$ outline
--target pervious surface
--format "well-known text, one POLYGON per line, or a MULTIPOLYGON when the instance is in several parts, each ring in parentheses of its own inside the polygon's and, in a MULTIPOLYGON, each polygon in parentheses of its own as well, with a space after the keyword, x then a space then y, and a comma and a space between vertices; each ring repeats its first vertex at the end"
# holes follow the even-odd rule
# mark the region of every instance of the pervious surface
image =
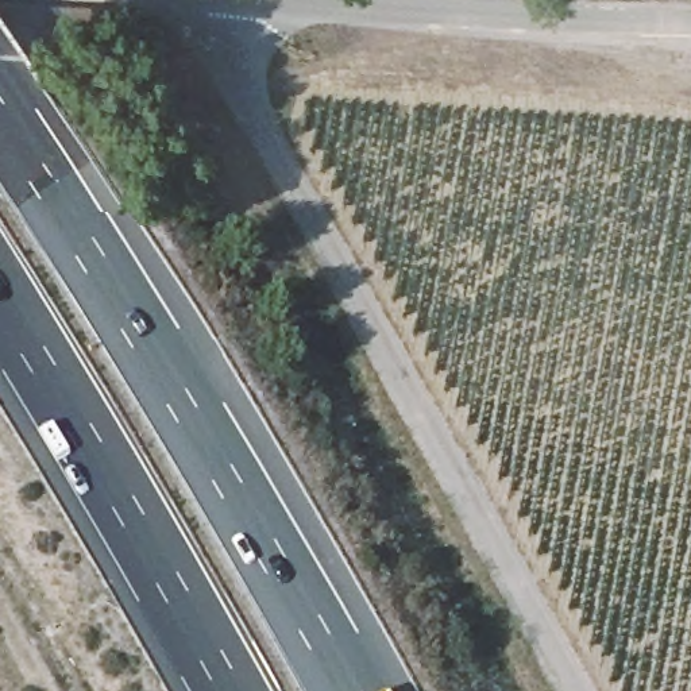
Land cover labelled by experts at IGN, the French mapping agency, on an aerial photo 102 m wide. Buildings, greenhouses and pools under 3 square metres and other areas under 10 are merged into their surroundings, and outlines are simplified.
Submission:
POLYGON ((202 78, 216 105, 229 105, 238 124, 246 130, 246 135, 254 138, 262 162, 267 165, 275 186, 283 194, 286 202, 294 202, 294 221, 310 240, 324 267, 346 265, 354 270, 370 270, 370 275, 383 270, 383 262, 375 259, 378 246, 372 240, 364 240, 362 224, 354 224, 354 208, 346 202, 346 192, 332 186, 335 170, 321 167, 324 151, 313 148, 316 135, 294 135, 294 124, 289 119, 292 100, 305 86, 294 76, 289 76, 286 54, 278 49, 278 35, 267 32, 262 24, 254 22, 216 22, 200 16, 186 24, 184 43, 192 54, 192 73, 202 78))
POLYGON ((405 354, 399 337, 394 335, 391 324, 372 335, 367 346, 370 362, 378 370, 391 402, 397 405, 397 413, 413 432, 413 440, 429 462, 437 483, 451 497, 464 524, 464 532, 472 540, 472 548, 486 561, 491 561, 491 578, 502 594, 513 615, 518 615, 526 626, 537 629, 534 653, 553 691, 597 691, 580 659, 575 656, 567 634, 559 629, 548 602, 537 588, 543 572, 529 572, 521 561, 497 510, 486 497, 483 483, 472 475, 462 448, 453 443, 445 418, 435 408, 424 383, 418 381, 416 367, 405 354))

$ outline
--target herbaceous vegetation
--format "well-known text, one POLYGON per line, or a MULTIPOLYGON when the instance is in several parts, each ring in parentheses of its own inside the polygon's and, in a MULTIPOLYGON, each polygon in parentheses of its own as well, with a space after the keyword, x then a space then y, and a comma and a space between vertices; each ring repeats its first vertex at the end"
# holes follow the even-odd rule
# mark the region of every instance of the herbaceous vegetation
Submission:
POLYGON ((0 408, 0 691, 167 691, 130 618, 111 597, 111 588, 103 572, 97 570, 89 548, 84 545, 81 534, 76 532, 51 486, 46 483, 27 445, 16 435, 5 410, 0 408))

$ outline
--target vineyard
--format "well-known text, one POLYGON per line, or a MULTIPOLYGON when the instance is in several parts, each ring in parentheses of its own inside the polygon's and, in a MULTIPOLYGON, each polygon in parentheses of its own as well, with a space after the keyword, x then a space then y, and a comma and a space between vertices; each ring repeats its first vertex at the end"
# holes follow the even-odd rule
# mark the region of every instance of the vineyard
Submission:
POLYGON ((324 151, 321 167, 335 170, 332 186, 346 192, 346 202, 354 208, 354 224, 362 224, 364 240, 372 240, 378 246, 375 259, 383 262, 383 270, 386 278, 397 281, 394 297, 405 297, 405 313, 416 316, 416 332, 424 332, 429 337, 426 351, 437 354, 435 370, 445 375, 445 389, 459 389, 456 405, 470 410, 467 421, 480 429, 478 443, 491 445, 491 453, 502 456, 499 478, 510 480, 510 491, 524 494, 518 513, 529 518, 529 532, 540 534, 537 551, 551 556, 551 570, 561 572, 559 586, 572 591, 570 607, 583 613, 580 624, 591 626, 591 642, 599 645, 605 656, 613 656, 610 678, 624 683, 624 691, 691 691, 691 119, 648 119, 626 113, 548 113, 516 108, 483 111, 467 105, 397 105, 316 97, 305 86, 292 100, 289 119, 294 124, 294 135, 316 135, 313 148, 324 151))

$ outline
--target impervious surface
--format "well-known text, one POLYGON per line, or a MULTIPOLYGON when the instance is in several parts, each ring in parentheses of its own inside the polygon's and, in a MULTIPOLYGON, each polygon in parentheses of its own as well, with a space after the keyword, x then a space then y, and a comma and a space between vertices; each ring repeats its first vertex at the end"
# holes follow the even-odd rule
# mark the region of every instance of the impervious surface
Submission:
POLYGON ((138 121, 143 116, 130 108, 127 100, 116 100, 116 113, 111 124, 138 130, 138 121))
POLYGON ((238 343, 227 340, 221 313, 202 289, 202 275, 192 270, 192 265, 186 265, 181 248, 165 229, 165 224, 173 221, 175 213, 184 208, 205 213, 213 221, 224 221, 229 213, 243 213, 267 197, 283 194, 275 186, 267 165, 262 162, 254 138, 246 135, 246 130, 238 124, 229 105, 216 105, 202 78, 192 73, 192 54, 184 43, 186 24, 200 16, 216 22, 254 22, 262 24, 267 32, 278 35, 292 38, 294 32, 310 24, 346 24, 370 30, 529 40, 561 51, 575 49, 588 54, 597 54, 602 46, 621 46, 624 51, 640 46, 691 51, 691 0, 572 0, 575 13, 570 19, 561 19, 556 27, 545 30, 537 27, 537 22, 532 22, 521 0, 0 0, 0 408, 5 410, 16 435, 27 445, 46 483, 51 486, 76 532, 81 534, 84 545, 89 548, 97 570, 103 572, 111 588, 111 597, 130 618, 167 691, 437 691, 435 680, 429 678, 429 669, 421 667, 416 656, 405 624, 394 613, 389 597, 389 570, 370 572, 359 556, 359 532, 367 516, 359 516, 356 510, 346 513, 346 507, 335 497, 324 491, 324 478, 335 464, 335 453, 305 445, 308 429, 289 429, 283 424, 278 399, 267 394, 262 383, 254 378, 248 359, 238 348, 238 343), (76 38, 78 46, 89 46, 100 57, 119 62, 121 81, 127 78, 135 54, 151 59, 151 70, 146 78, 140 78, 135 92, 146 97, 159 121, 159 135, 154 143, 159 178, 146 178, 146 211, 154 213, 157 224, 138 224, 127 211, 119 211, 119 194, 105 175, 105 157, 97 157, 97 151, 84 140, 84 135, 67 119, 67 113, 59 111, 49 94, 43 97, 32 86, 38 81, 38 70, 24 51, 32 43, 43 43, 59 65, 57 78, 70 81, 76 89, 89 94, 92 103, 105 97, 103 89, 86 73, 81 73, 73 65, 73 59, 62 51, 59 38, 54 32, 57 13, 84 19, 81 32, 76 38))

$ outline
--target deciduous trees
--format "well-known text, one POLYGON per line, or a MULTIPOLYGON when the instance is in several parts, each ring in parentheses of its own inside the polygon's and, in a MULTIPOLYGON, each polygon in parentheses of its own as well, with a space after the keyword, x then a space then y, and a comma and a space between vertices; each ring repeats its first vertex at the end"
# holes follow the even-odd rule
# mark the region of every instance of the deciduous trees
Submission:
POLYGON ((346 507, 346 513, 356 510, 359 516, 367 516, 359 532, 359 556, 370 572, 389 570, 389 597, 394 613, 405 624, 416 656, 421 667, 429 669, 429 678, 435 680, 437 691, 521 691, 505 656, 513 615, 502 594, 499 599, 491 599, 483 597, 483 591, 475 583, 467 583, 462 575, 459 551, 453 545, 445 545, 435 534, 435 521, 424 510, 426 497, 418 497, 410 472, 399 464, 399 451, 389 445, 386 432, 367 408, 367 391, 351 356, 367 346, 372 335, 362 316, 343 310, 343 300, 351 297, 351 292, 362 286, 370 275, 370 270, 354 270, 346 265, 324 267, 310 240, 294 221, 294 202, 286 202, 283 194, 267 197, 243 213, 229 213, 224 221, 213 221, 205 213, 184 208, 175 213, 173 221, 165 224, 165 229, 181 248, 186 265, 192 265, 192 270, 202 275, 202 289, 221 313, 227 340, 238 343, 238 348, 248 359, 254 378, 262 383, 267 394, 278 399, 283 424, 289 429, 308 429, 305 445, 335 453, 335 464, 324 478, 324 491, 335 497, 346 507))
POLYGON ((43 97, 49 94, 59 111, 67 113, 67 119, 84 135, 84 140, 97 151, 97 157, 105 157, 105 175, 119 194, 119 211, 127 211, 138 224, 157 224, 154 213, 146 211, 146 178, 159 178, 154 143, 159 135, 159 121, 146 97, 135 92, 140 78, 146 78, 151 70, 151 59, 135 54, 127 78, 121 81, 119 62, 100 57, 89 46, 78 46, 76 38, 81 32, 84 19, 57 13, 54 32, 59 38, 62 51, 73 59, 73 65, 81 73, 86 73, 103 89, 105 97, 92 103, 89 94, 76 89, 70 81, 57 78, 59 65, 43 43, 32 43, 24 51, 38 70, 38 81, 32 86, 43 97), (138 121, 138 130, 111 124, 116 113, 116 100, 127 100, 130 108, 143 116, 138 121))
POLYGON ((521 0, 532 22, 537 22, 537 27, 545 30, 556 27, 561 19, 570 19, 575 13, 572 0, 521 0))

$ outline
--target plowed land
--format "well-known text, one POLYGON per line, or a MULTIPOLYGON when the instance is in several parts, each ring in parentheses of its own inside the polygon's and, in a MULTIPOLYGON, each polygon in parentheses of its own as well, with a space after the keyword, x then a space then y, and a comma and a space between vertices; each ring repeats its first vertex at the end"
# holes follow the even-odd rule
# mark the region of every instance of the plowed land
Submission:
POLYGON ((437 483, 429 462, 413 440, 413 432, 397 413, 397 405, 391 402, 378 370, 370 362, 367 346, 351 356, 367 391, 367 408, 386 432, 389 445, 399 451, 399 464, 410 472, 418 497, 426 497, 424 510, 435 521, 435 534, 445 545, 453 545, 459 551, 462 575, 467 583, 475 583, 483 591, 483 597, 491 599, 499 599, 502 594, 491 578, 491 561, 486 561, 472 548, 472 540, 464 532, 464 524, 451 497, 437 483))
POLYGON ((518 615, 513 615, 505 656, 521 691, 553 691, 534 653, 537 629, 526 626, 518 615))
POLYGON ((572 591, 559 586, 561 572, 551 570, 551 556, 537 551, 540 534, 529 532, 529 518, 518 513, 524 494, 510 491, 510 480, 499 478, 502 456, 491 453, 491 445, 478 443, 480 429, 467 421, 470 410, 456 405, 459 389, 445 389, 445 375, 435 370, 437 354, 426 351, 429 337, 424 332, 416 332, 416 316, 405 313, 405 297, 394 297, 397 281, 386 278, 383 270, 370 275, 362 286, 351 292, 351 297, 343 300, 343 310, 362 316, 372 335, 391 324, 394 335, 399 337, 405 354, 416 367, 418 381, 424 383, 435 408, 445 418, 453 443, 462 448, 472 475, 483 483, 486 497, 497 510, 521 561, 529 572, 543 572, 537 588, 548 602, 559 629, 567 634, 575 656, 580 659, 597 691, 624 691, 624 683, 610 678, 613 656, 605 656, 599 645, 591 642, 591 626, 580 624, 583 613, 570 607, 572 591))
POLYGON ((588 54, 575 49, 561 51, 529 40, 370 30, 346 24, 310 24, 294 32, 292 38, 278 35, 278 49, 286 54, 289 76, 294 76, 305 86, 316 97, 397 105, 467 105, 483 111, 516 108, 548 113, 626 113, 648 119, 691 119, 691 51, 640 46, 624 51, 621 46, 602 46, 597 54, 588 54))

